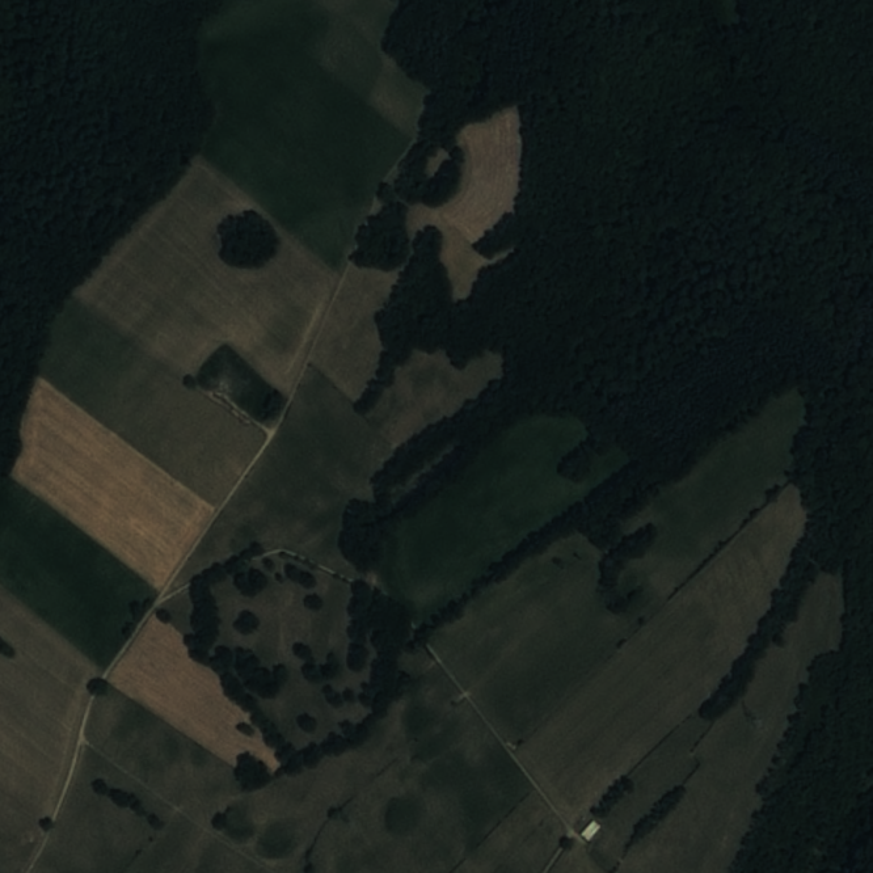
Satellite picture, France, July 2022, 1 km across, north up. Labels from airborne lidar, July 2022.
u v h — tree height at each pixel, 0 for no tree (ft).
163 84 65
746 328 60
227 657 71
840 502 58
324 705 0
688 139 69
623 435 64
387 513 61
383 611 66
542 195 53
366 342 0
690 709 0
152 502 0
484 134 0
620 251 66
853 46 53
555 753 0
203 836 0
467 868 0
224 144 0
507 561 50
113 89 45
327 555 0
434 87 58
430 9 72
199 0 61
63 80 56
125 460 0
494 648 0
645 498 58
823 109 52
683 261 98
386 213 39
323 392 0
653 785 0
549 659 0
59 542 0
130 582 0
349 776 0
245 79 0
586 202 58
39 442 0
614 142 47
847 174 86
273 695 60
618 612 35
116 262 0
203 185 0
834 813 65
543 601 0
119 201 86
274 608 0
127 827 0
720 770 0
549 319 61
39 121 72
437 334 66
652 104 77
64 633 0
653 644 0
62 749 0
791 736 50
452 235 0
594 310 71
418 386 0
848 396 75
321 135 0
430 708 0
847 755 58
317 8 0
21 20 84
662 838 0
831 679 24
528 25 65
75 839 0
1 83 38
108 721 0
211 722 0
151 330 0
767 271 79
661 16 67
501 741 0
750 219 73
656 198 72
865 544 71
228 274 0
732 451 0
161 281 0
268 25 0
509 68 77
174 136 66
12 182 85
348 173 0
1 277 77
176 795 0
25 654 0
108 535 0
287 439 0
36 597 0
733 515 0
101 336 0
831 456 67
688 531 0
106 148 88
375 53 0
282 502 0
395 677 63
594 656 0
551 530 56
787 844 60
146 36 54
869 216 80
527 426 0
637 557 57
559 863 0
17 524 0
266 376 0
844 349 64
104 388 0
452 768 0
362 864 0
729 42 64
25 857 0
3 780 0
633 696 0
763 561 0
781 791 29
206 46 0
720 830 0
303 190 0
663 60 50
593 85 45
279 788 0
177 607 0
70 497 0
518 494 0
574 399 72
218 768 0
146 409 0
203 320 0
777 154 99
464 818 0
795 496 0
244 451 0
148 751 0
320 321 0
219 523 0
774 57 81
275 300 0
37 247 66
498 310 61
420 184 54
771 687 0
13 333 75
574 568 0
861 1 62
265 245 68
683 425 63
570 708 0
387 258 44
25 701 0
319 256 0
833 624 0
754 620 0
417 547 0
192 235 0
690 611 0
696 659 0
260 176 0
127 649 0
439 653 0
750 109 30
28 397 37
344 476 0
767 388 53
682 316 77
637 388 63
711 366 63
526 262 50
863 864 75
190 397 0
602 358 64
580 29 50
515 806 0
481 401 50
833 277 73
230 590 0
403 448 39
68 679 0
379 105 0
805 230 79
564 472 55
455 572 0
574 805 0
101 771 0
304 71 0
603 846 0
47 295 71
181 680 0
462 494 0
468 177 0
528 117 55
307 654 69
